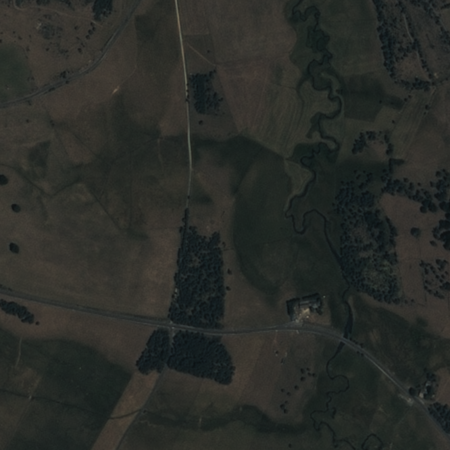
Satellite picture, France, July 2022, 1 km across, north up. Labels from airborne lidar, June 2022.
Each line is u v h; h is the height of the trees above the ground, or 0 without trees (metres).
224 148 0
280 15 0
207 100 8
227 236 0
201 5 0
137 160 0
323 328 0
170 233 0
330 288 0
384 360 0
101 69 0
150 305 0
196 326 10
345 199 15
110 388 0
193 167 0
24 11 0
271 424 0
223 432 0
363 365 0
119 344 0
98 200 0
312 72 0
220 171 0
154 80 0
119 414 0
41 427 0
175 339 15
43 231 0
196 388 0
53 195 0
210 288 16
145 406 0
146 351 6
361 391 0
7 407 0
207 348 18
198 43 0
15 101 0
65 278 0
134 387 0
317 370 0
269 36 0
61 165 0
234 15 0
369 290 13
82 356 0
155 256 0
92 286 0
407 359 0
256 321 0
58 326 0
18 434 0
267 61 0
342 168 0
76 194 0
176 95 0
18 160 0
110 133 0
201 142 0
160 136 0
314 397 0
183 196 0
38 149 0
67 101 0
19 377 0
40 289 0
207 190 0
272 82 0
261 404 0
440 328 0
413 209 0
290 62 0
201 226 0
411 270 0
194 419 0
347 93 0
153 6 0
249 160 0
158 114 0
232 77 0
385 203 0
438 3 0
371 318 0
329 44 0
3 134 0
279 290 0
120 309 0
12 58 0
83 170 0
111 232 0
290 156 0
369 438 0
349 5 0
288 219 0
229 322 0
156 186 0
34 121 0
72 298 0
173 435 0
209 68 0
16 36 0
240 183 0
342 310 0
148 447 0
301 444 0
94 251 0
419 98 0
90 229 0
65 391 0
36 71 0
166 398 0
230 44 0
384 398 0
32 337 0
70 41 0
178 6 0
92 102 0
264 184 0
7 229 0
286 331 0
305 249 0
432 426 0
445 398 0
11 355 0
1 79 0
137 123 0
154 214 0
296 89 0
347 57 0
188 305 9
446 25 0
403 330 0
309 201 0
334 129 0
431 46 7
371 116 0
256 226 0
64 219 0
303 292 0
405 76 0
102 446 0
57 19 0
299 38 0
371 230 20
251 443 0
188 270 8
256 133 0
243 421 0
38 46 0
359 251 10
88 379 0
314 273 0
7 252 0
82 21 0
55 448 0
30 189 0
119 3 0
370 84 0
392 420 0
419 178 0
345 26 0
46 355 0
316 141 0
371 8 0
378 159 0
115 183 0
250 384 0
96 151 0
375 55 0
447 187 15
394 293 13
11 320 0
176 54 0
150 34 0
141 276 0
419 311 0
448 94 0
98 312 0
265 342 0
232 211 0
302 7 0
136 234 0
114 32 0
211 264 13
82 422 0
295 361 0
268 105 0
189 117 0
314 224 0
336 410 0
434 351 0
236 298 0
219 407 0
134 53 0
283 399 0
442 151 0
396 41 14
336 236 0
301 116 0
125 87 0
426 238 0
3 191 0
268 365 0
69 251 0
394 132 0
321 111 0
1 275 0
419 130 0
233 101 0
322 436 0
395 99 0
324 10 0
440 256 0
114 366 0
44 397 0
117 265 0
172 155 0
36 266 0
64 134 0
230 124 0
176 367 17
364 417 0
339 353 0
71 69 0
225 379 12
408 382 0
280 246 0
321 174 0
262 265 0
